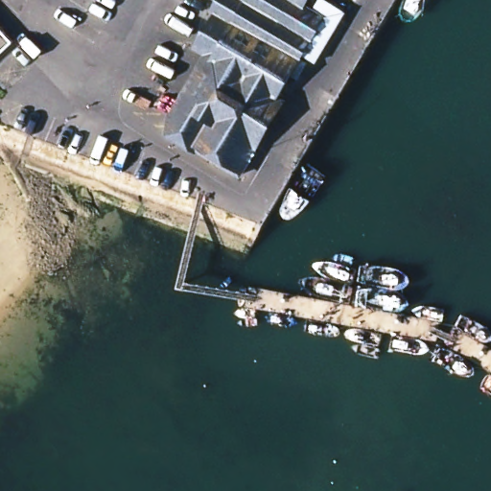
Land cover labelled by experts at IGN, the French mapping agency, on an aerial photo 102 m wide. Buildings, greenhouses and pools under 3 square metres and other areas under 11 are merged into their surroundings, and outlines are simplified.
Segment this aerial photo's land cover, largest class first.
<instances>
[{"label":"water","instance_id":"1","mask_svg":"<svg viewBox=\"0 0 491 491\"><path fill-rule=\"evenodd\" d=\"M311 146L299 157L292 178L274 201L267 221L263 222L259 230V236L253 244L245 247L244 251L230 249L222 245L221 240L211 242L199 236L194 238L184 230L163 226L159 222L138 217L123 209L119 211L121 232L117 238L102 236V244L98 247H73L65 265L54 269L52 274H36L35 282L23 292V297H19L13 303L10 313L0 320V491H491V0H395L391 10L387 12L384 23L374 31L368 48L364 50L359 65L355 67L345 88L341 90L336 104L330 107V111L320 121L318 132L309 138Z\"/></svg>","mask_w":491,"mask_h":491},{"label":"impervious surface","instance_id":"2","mask_svg":"<svg viewBox=\"0 0 491 491\"><path fill-rule=\"evenodd\" d=\"M343 13L334 35L330 36L316 61H309L297 79H290L282 86L276 98L280 102L278 113L265 127L267 130L257 146L255 157L251 159V167L255 171L234 173L222 167L221 161L211 167L209 161L199 159L196 153L186 152L184 138L180 134H175L182 123V117L190 111V107L196 102L217 98L219 88L232 73L234 65H238L234 59L209 63L207 56H199L192 52L198 31L190 29L186 23L188 19L201 17V10H207L211 6L209 0H0V29L10 38V46L0 54V144L15 150L25 169L44 176H65L71 184L81 186L84 198H94L96 201L123 209L138 217L159 222L163 226L184 230L194 238L199 236L211 242L221 240L222 245L230 249L244 251L245 247L253 244L259 236V230L263 222L267 221L274 201L292 178L299 157L311 146L309 138L318 132L320 121L330 111V107L336 104L341 90L345 88L355 67L359 65L364 50L368 48L374 31L384 23L387 12L391 10L395 0H326Z\"/></svg>","mask_w":491,"mask_h":491},{"label":"building","instance_id":"3","mask_svg":"<svg viewBox=\"0 0 491 491\"><path fill-rule=\"evenodd\" d=\"M211 6L207 10H201V17L188 19L186 23L190 29L198 31L192 52L199 56H207L209 63L234 59L238 65H234L232 73L219 88L217 98L196 102L190 107V111L182 117V123L175 134H180L184 138L186 152L196 153L199 159L209 161L211 167L221 161L222 167L234 173L255 171L251 167V159L255 157L257 146L267 130L265 127L278 113L280 102L276 98L282 86L290 79H297L309 61H316L330 36L334 35L343 13L326 0H209ZM10 46V38L0 29V54Z\"/></svg>","mask_w":491,"mask_h":491},{"label":"bare soil","instance_id":"4","mask_svg":"<svg viewBox=\"0 0 491 491\"><path fill-rule=\"evenodd\" d=\"M123 209L96 201L94 198H84L81 186L71 184L65 176H44L25 169L15 150L0 144V320L10 313L13 303L19 297H23V292L35 282L36 274H52L54 269L65 265L73 247H98L102 244V236L117 238L121 232L119 211Z\"/></svg>","mask_w":491,"mask_h":491}]
</instances>
